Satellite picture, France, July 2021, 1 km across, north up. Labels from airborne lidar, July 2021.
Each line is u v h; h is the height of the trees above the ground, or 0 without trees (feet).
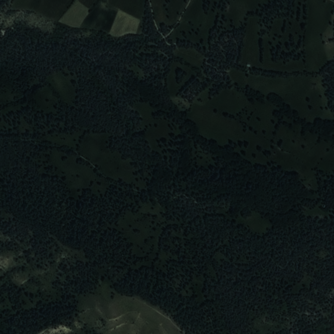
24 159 53
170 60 48
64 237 65
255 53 0
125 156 52
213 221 45
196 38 0
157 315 0
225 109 0
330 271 24
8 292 32
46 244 48
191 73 0
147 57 50
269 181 68
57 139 0
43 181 43
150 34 39
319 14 0
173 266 46
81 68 52
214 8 58
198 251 29
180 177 36
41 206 72
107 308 0
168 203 63
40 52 55
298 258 37
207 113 0
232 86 30
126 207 36
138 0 0
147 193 49
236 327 30
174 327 0
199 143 64
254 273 50
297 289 0
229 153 73
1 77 45
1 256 0
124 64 58
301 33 0
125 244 24
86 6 0
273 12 68
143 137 60
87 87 37
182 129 61
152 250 27
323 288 33
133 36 36
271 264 38
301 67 0
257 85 0
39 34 28
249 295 42
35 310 37
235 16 0
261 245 46
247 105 0
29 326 55
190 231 36
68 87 0
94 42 59
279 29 0
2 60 22
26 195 71
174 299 60
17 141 66
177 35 0
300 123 41
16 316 28
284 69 0
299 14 84
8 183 72
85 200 75
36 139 31
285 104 34
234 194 80
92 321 0
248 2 0
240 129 0
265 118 0
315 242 48
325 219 29
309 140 0
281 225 58
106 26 0
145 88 81
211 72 39
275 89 0
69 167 0
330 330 35
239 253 46
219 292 52
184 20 0
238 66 56
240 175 84
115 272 41
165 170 47
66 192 50
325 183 49
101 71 59
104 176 25
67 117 47
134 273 40
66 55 53
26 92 87
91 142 0
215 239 63
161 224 27
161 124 0
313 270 33
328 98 29
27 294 65
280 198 63
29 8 0
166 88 31
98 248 91
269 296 26
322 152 0
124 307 0
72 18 0
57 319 46
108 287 0
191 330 36
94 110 38
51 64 45
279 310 20
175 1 0
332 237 24
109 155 0
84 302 0
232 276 51
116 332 0
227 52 41
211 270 0
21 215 62
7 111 0
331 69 47
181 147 65
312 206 36
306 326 33
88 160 28
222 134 0
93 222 31
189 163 46
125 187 43
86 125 50
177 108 52
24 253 34
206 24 0
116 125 43
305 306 26
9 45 22
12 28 18
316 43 0
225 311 33
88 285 57
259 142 0
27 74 70
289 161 0
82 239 54
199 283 0
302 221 59
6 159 60
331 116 0
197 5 0
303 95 0
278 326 21
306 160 0
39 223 45
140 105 0
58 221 46
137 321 0
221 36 60
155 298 50
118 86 54
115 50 59
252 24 0
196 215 49
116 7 0
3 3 32
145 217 20
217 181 79
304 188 77
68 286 40
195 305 51
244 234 26
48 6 0
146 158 66
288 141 0
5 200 33
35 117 32
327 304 19
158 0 0
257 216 0
